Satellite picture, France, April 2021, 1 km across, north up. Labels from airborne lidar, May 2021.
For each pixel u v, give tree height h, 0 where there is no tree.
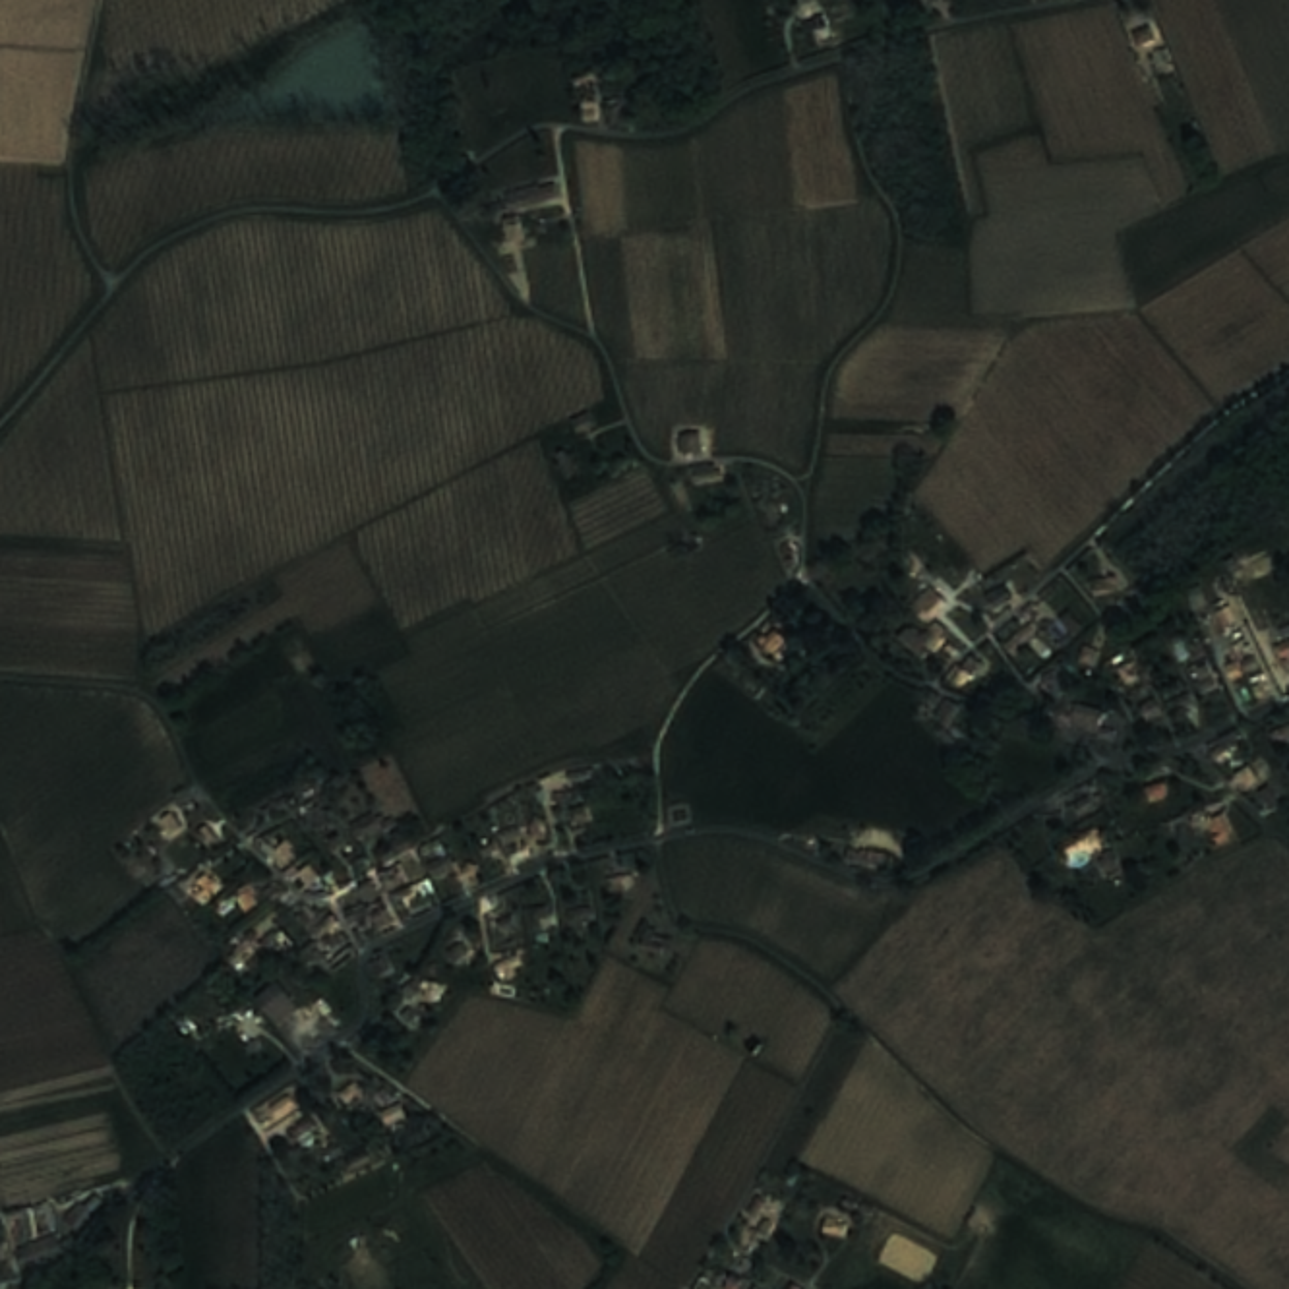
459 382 0
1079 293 0
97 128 26
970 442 0
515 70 0
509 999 0
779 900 0
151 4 0
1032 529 0
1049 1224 0
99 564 0
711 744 0
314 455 0
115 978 0
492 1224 0
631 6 27
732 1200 0
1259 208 0
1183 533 19
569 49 16
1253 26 0
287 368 0
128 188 0
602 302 0
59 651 0
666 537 0
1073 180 0
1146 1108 0
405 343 0
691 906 0
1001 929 0
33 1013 0
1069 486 0
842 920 0
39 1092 0
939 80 13
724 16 0
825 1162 0
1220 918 0
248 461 0
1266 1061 0
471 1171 0
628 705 0
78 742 0
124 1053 7
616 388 0
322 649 0
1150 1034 0
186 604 0
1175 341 0
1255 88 0
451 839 0
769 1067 0
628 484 0
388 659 0
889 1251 0
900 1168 0
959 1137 0
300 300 0
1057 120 0
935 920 0
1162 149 0
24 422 0
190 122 31
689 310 0
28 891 0
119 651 0
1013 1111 0
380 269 0
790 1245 16
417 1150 6
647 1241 0
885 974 0
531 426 0
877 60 12
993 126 0
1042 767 0
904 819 0
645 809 11
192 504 0
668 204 0
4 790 0
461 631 0
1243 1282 0
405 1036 14
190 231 0
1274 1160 0
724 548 0
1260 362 0
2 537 0
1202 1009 0
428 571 0
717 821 0
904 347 0
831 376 0
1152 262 0
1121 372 0
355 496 0
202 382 0
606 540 0
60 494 0
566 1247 0
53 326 0
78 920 0
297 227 0
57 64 0
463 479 0
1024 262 0
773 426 0
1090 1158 0
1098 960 0
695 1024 0
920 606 0
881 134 13
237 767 0
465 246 0
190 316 0
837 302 0
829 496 0
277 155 0
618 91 9
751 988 0
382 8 16
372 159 0
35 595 0
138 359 0
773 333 0
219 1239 0
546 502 0
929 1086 0
